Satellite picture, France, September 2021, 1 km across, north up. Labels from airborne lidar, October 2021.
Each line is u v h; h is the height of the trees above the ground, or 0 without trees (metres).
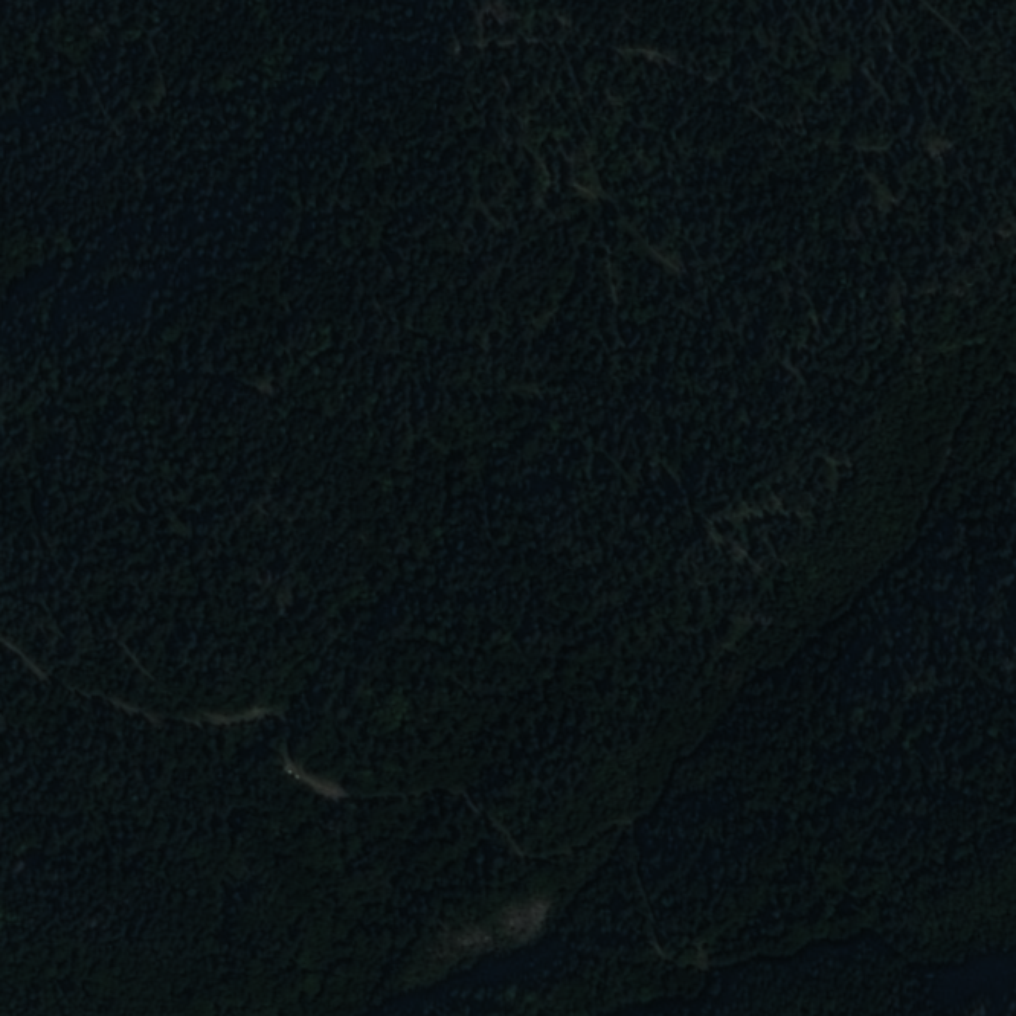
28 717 22
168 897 25
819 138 15
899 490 16
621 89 17
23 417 7
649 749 19
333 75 29
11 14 24
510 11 14
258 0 12
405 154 18
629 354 12
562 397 19
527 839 15
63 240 18
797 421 13
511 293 10
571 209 14
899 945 25
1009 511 22
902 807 24
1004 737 10
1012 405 10
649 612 22
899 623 21
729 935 9
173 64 14
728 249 11
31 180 30
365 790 7
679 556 30
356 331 19
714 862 24
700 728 18
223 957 15
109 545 7
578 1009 23
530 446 28
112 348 32
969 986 17
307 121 22
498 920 8
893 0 0
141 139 16
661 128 14
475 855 19
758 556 24
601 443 19
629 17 16
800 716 18
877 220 32
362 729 9
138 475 17
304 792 8
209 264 15
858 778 9
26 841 23
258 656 19
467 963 24
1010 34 11
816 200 14
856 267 28
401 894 24
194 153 14
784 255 19
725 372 8
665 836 18
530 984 18
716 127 15
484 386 14
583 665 10
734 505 29
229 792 26
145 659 23
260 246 19
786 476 27
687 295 9
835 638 17
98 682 20
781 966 15
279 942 11
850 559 17
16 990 27
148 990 26
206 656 42
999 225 28
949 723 15
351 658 17
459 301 19
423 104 16
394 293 17
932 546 19
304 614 37
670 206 11
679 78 17
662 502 16
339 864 17
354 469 9
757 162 32
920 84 7
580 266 10
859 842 13
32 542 6
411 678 17
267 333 16
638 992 25
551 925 13
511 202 11
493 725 11
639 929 14
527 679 19
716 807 9
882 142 7
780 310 29
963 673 12
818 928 26
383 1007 16
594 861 17
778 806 17
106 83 6
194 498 14
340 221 20
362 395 16
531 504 20
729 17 13
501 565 14
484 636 9
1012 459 13
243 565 20
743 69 27
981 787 19
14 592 11
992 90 12
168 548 29
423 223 24
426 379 13
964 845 23
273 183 20
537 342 15
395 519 11
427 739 23
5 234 24
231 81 10
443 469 17
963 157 14
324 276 20
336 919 25
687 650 16
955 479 9
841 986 16
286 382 6
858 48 13
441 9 10
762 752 19
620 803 14
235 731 9
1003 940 17
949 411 6
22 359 18
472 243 28
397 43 14
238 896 10
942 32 9
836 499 12
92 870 20
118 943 26
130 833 15
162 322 11
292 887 29
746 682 19
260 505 31
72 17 23
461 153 21
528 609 18
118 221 18
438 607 24
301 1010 25
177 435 22
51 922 36
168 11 30
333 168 17
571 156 30
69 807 30
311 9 20
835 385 24
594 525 15
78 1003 24
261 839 23
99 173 19
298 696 13
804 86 10
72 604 35
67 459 28
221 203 18
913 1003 20
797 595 16
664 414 36
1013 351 7
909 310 25
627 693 14
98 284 25
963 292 27
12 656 6
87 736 28
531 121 6
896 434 17
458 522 17
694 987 13
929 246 10
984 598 23
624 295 11
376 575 30
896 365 17
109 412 17
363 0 17
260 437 16
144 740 23
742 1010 16
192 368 10
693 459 8
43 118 13
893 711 33
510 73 13
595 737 18
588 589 37
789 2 13
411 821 23
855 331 26
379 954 17
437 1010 18
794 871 9
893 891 18
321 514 20
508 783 15
